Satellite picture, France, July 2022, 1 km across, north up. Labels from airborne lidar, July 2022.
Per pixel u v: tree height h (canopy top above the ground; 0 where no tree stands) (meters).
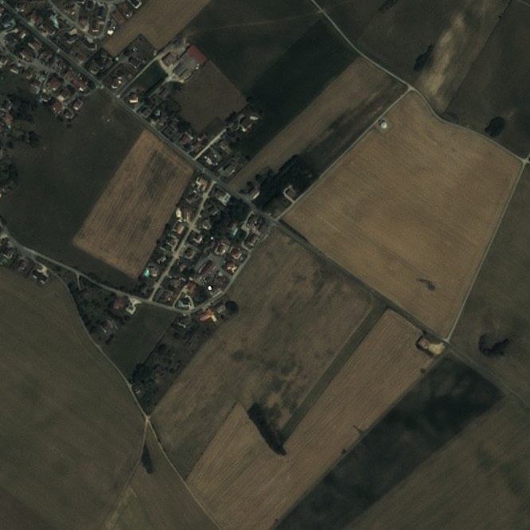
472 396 0
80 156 0
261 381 0
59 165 0
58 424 0
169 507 0
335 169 0
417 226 0
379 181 0
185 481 0
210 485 0
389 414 0
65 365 0
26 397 0
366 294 0
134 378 12
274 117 0
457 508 0
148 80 0
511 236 0
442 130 0
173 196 0
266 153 0
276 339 0
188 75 0
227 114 0
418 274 0
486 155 0
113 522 0
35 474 0
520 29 0
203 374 0
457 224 0
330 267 0
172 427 0
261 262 0
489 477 0
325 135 0
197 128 0
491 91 0
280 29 0
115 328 0
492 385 0
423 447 0
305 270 0
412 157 0
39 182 0
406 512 0
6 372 0
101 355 0
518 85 0
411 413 0
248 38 0
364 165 0
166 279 0
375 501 0
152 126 0
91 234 0
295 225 0
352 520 0
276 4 0
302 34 0
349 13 0
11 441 0
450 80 0
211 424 0
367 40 0
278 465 0
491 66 0
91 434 0
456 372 0
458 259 0
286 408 0
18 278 0
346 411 0
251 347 0
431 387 0
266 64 0
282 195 11
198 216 0
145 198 0
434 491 0
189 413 0
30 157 0
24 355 0
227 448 0
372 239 0
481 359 0
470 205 0
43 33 0
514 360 0
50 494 0
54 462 0
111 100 0
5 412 0
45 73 6
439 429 0
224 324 0
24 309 0
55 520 0
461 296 0
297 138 0
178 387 0
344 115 0
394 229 0
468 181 0
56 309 0
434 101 0
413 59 0
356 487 0
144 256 0
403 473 0
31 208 0
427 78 0
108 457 0
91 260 0
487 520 0
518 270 0
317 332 0
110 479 0
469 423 0
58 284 0
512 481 0
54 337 0
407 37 0
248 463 0
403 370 0
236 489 0
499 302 0
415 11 0
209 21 0
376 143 0
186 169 0
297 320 0
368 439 0
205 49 0
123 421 0
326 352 0
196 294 0
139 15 0
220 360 0
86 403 0
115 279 0
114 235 0
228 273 0
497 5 0
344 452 6
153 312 0
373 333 0
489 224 0
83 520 0
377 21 0
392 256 0
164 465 0
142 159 0
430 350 0
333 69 0
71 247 0
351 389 0
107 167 0
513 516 0
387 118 0
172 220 0
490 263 0
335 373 0
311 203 0
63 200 0
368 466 0
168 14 0
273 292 0
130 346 0
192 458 0
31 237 0
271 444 7
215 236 20
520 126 0
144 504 0
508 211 0
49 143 0
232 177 0
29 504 0
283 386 0
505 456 0
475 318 0
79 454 0
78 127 0
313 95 0
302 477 0
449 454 0
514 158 0
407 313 0
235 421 0
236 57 0
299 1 0
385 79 0
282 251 0
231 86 0
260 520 0
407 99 0
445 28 0
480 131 0
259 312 0
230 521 0
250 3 0
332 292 0
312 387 0
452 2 0
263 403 0
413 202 0
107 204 0
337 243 0
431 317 0
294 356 0
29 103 15
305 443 0
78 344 0
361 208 0
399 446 0
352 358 0
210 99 0
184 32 0
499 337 0
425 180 0
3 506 0
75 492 0
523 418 0
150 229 0
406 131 0
